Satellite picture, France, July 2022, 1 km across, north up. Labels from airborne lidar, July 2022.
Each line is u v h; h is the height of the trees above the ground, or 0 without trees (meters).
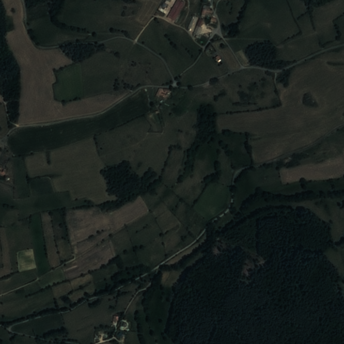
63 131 0
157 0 0
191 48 0
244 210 22
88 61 0
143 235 0
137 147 0
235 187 22
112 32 13
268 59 7
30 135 0
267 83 0
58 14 19
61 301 0
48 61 0
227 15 0
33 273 0
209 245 16
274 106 7
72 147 0
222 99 0
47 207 0
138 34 0
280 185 0
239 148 0
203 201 0
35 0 13
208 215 0
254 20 0
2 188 0
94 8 0
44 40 0
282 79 10
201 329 19
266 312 21
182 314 18
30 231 0
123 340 0
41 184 0
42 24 0
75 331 0
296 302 26
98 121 0
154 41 0
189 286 9
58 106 0
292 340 20
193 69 0
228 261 6
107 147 0
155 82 0
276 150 0
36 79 0
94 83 0
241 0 0
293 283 27
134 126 0
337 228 0
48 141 0
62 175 0
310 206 0
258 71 0
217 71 0
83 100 0
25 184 0
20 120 0
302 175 0
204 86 0
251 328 21
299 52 0
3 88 9
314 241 10
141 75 0
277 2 0
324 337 18
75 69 0
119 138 0
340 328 15
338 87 0
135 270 20
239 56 0
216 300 11
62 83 0
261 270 19
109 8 0
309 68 0
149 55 0
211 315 18
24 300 0
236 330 11
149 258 0
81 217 0
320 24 0
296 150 0
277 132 0
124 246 0
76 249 0
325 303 21
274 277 19
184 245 0
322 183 0
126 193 8
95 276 0
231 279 16
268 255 17
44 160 0
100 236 0
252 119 0
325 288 28
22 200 0
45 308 0
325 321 29
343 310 22
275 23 0
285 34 0
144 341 16
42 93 0
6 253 0
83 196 0
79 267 0
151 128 0
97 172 0
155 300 0
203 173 0
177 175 0
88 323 0
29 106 0
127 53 0
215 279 15
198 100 0
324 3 11
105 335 0
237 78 0
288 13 0
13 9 12
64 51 12
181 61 0
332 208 0
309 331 25
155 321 0
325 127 0
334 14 0
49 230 0
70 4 0
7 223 0
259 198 22
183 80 0
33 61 0
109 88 0
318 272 23
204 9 0
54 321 0
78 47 14
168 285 0
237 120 0
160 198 0
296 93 0
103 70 0
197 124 7
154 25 0
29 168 0
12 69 18
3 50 22
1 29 23
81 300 15
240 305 19
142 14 0
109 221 0
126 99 0
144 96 0
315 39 0
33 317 16
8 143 0
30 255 0
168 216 0
